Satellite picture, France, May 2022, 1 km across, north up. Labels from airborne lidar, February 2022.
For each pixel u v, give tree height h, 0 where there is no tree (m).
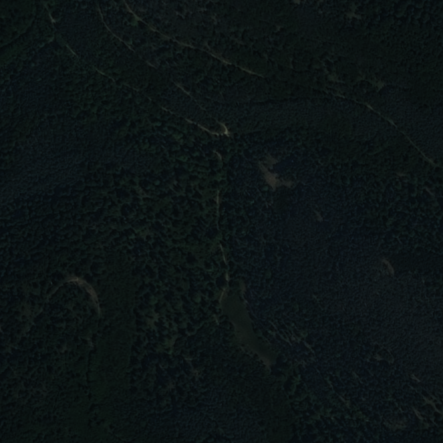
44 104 17
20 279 29
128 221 33
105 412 15
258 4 15
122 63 19
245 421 25
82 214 31
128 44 14
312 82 14
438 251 31
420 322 18
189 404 14
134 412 21
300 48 12
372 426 7
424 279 9
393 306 22
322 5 12
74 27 14
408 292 18
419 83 16
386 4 15
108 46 7
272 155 27
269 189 21
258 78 16
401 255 16
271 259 31
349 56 16
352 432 16
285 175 30
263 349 0
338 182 17
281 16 11
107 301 11
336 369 29
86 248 27
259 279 30
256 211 31
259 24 15
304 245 17
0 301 18
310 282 26
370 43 14
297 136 11
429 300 14
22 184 25
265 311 35
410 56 19
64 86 14
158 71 13
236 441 27
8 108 16
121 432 15
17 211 10
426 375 22
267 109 27
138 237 9
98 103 17
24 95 14
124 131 25
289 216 27
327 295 23
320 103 22
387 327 21
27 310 0
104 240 32
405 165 12
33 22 20
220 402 23
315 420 12
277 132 16
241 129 20
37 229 34
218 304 27
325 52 26
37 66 16
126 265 18
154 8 12
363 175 13
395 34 26
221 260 7
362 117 26
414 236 37
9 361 24
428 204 39
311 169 29
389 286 18
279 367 16
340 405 22
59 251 28
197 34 12
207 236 6
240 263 37
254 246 36
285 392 11
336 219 29
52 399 12
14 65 20
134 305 17
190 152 35
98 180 30
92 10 14
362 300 22
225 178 17
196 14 16
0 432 12
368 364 29
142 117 10
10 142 20
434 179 12
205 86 31
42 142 21
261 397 14
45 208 35
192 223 18
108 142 19
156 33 10
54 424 13
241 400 20
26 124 21
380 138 23
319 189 30
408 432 12
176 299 7
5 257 28
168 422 21
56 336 10
